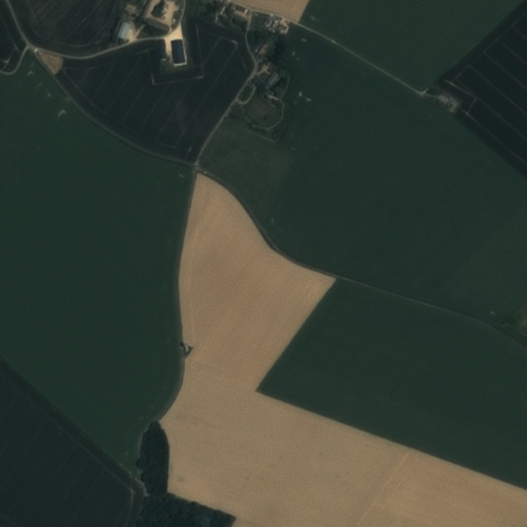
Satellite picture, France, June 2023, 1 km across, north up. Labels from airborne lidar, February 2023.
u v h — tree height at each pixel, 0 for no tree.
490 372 0
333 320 0
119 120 0
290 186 0
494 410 0
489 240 0
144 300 0
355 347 0
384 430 0
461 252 0
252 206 0
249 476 0
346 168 0
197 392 0
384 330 0
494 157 0
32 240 0
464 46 0
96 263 0
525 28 0
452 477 0
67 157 0
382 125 0
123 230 0
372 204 0
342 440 0
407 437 0
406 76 0
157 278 0
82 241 0
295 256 0
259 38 7
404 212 0
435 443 0
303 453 0
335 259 0
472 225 0
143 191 0
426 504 0
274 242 0
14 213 0
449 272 0
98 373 0
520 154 0
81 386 0
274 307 0
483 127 0
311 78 0
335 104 0
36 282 0
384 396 0
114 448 0
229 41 0
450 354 0
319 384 0
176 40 0
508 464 0
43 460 0
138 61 0
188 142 0
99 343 0
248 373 0
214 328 0
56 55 0
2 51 0
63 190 0
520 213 0
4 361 0
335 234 0
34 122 0
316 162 0
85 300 0
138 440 0
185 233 0
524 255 0
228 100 0
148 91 0
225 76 0
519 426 0
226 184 0
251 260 0
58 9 0
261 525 0
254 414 0
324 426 0
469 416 0
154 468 14
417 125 0
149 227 0
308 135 0
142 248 0
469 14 0
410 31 0
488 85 0
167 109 0
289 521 0
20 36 0
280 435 0
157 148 0
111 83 0
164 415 0
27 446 0
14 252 0
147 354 0
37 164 0
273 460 0
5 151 0
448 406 0
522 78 0
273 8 0
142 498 0
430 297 0
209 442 0
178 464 0
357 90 0
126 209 0
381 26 0
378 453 0
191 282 0
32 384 0
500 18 0
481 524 0
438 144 0
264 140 0
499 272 0
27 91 0
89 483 0
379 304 0
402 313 0
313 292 0
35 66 0
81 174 0
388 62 0
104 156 0
